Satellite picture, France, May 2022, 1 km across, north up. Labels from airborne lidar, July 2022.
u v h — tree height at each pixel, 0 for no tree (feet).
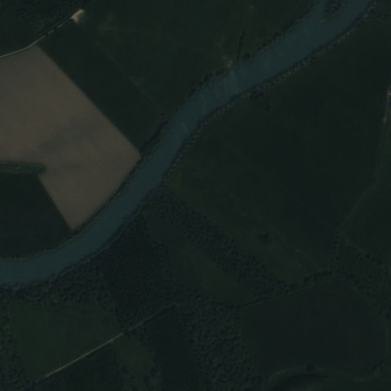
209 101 0
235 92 0
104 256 58
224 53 0
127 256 68
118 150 0
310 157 0
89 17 0
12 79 0
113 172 0
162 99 0
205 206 0
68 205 0
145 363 0
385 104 0
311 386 0
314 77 0
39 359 0
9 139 0
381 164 0
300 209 0
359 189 0
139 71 0
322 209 0
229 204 0
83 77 0
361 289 55
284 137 0
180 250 0
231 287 0
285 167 0
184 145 40
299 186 0
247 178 0
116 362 33
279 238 0
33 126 0
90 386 29
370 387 0
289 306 0
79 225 0
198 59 0
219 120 0
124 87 0
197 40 0
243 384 98
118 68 0
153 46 0
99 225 0
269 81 30
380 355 0
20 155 0
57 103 0
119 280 66
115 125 0
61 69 0
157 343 47
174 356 49
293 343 0
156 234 0
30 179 0
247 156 0
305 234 0
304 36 0
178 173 0
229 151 0
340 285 0
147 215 0
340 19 0
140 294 52
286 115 0
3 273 0
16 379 75
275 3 0
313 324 0
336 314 0
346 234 0
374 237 0
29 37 0
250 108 0
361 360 0
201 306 67
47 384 55
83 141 0
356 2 0
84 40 0
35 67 0
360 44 0
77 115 0
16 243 0
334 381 0
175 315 51
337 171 0
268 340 0
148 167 0
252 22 0
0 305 85
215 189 0
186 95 0
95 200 0
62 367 0
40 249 0
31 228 0
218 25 0
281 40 0
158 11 0
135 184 0
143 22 0
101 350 19
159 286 59
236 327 67
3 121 0
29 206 0
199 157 0
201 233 49
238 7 0
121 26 0
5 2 68
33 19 20
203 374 51
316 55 32
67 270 36
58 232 0
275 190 0
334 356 0
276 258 0
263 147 0
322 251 0
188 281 0
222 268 24
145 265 65
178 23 0
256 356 0
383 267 21
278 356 0
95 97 0
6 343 77
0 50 0
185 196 0
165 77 0
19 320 0
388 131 0
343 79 0
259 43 0
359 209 0
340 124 0
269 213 0
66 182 0
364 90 0
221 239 57
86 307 90
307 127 0
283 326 0
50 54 0
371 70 0
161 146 0
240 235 0
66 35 0
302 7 0
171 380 48
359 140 0
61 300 57
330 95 0
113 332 0
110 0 0
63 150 0
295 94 0
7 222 0
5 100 0
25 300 80
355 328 0
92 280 76
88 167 0
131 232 67
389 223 0
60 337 0
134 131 0
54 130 0
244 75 0
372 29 0
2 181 0
